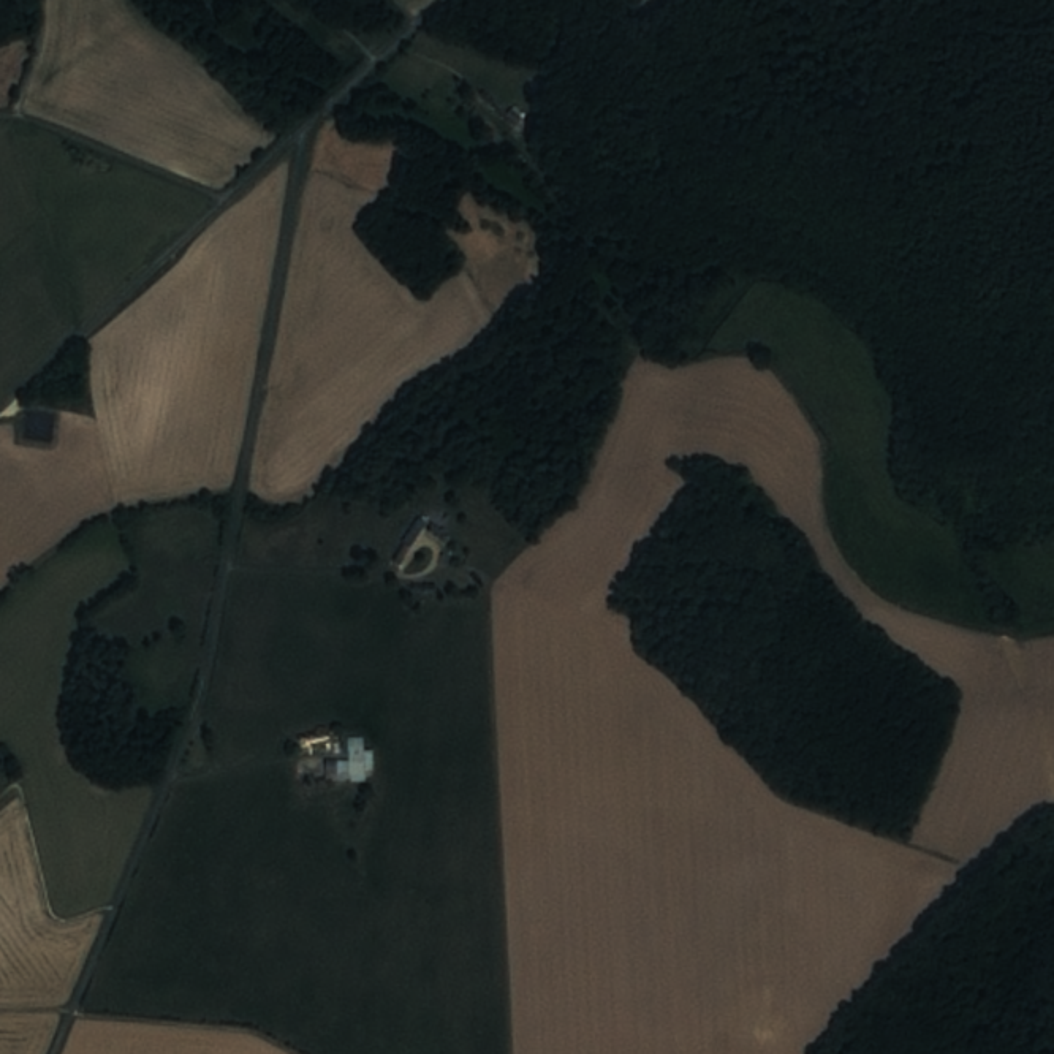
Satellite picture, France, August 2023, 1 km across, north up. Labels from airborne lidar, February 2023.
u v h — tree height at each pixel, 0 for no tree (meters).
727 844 0
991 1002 11
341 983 0
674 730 0
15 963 0
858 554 0
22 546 0
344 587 0
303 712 0
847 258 20
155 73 0
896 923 0
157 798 0
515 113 0
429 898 0
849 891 0
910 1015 13
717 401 0
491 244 0
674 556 12
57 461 0
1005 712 0
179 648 0
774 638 18
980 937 15
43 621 0
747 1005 0
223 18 19
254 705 0
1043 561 0
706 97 21
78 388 13
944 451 26
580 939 0
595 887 0
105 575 0
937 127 22
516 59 20
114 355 0
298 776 0
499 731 0
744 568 14
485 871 0
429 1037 0
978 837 0
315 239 0
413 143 22
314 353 0
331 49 0
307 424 0
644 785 0
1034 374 26
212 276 0
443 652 0
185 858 0
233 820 0
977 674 0
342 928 0
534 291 22
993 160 23
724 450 0
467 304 0
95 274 0
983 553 12
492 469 17
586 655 0
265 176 0
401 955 0
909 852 0
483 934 0
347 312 0
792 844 0
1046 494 24
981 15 22
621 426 0
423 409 12
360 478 15
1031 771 0
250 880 0
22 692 0
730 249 23
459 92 7
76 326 0
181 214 0
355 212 0
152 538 0
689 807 0
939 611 0
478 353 17
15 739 0
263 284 0
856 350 0
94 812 0
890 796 16
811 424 0
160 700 0
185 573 0
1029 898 14
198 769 0
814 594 22
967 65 25
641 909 0
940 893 0
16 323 0
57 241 0
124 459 0
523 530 13
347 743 0
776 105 19
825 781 19
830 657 20
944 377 24
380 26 9
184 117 0
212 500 10
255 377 0
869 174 19
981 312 18
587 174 25
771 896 0
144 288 0
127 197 0
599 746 0
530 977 0
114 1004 0
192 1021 0
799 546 18
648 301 20
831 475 0
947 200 16
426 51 0
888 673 20
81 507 0
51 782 0
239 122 0
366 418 0
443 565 0
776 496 0
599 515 0
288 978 0
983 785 0
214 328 0
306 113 10
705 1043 0
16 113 0
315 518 0
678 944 0
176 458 0
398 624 0
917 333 24
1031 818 12
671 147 27
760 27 16
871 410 0
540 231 17
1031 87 25
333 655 0
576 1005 0
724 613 20
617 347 8
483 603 0
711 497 16
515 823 0
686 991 0
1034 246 20
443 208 24
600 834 0
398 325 0
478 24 19
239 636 0
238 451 0
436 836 0
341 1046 0
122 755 15
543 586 0
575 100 24
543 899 0
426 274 13
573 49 24
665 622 19
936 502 10
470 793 0
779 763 15
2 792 0
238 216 0
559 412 13
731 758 0
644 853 0
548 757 0
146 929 0
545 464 11
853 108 26
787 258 21
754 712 17
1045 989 14
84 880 0
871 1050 15
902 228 15
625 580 14
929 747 15
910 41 19
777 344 0
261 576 0
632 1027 0
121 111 0
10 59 0
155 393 0
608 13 26
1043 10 15
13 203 0
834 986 0
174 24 8
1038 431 23
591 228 23
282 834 0
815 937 0
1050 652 0
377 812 0
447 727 0
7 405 0
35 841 0
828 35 16
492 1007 0
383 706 0
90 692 21
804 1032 0
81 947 0
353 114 18
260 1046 0
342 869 0
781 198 20
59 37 0
